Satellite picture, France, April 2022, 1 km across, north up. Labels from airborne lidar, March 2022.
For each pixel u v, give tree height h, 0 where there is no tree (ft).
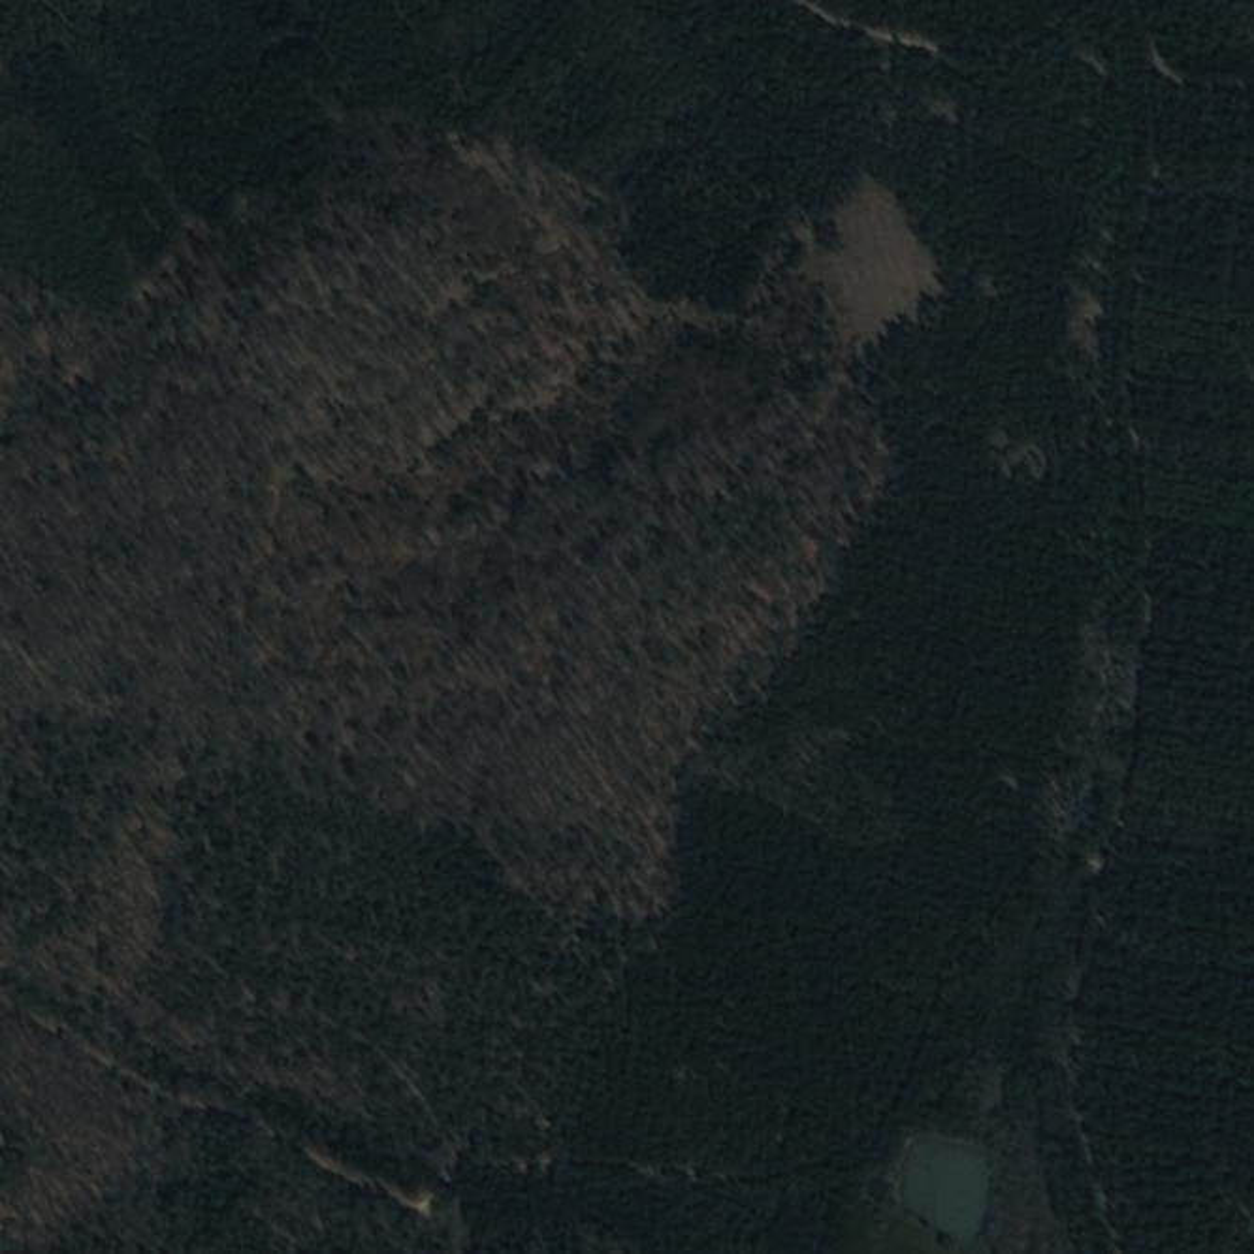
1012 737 66
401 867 75
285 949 39
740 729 62
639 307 94
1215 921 69
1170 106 52
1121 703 65
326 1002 53
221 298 66
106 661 68
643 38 47
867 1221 0
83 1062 91
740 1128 58
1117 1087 66
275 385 85
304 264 88
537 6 73
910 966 57
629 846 86
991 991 62
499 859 80
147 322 94
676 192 93
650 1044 64
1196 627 41
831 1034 106
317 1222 80
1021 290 61
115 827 63
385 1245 67
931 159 77
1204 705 56
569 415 32
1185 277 56
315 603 107
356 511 24
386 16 67
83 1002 83
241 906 49
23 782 44
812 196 73
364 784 108
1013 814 66
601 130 56
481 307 25
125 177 69
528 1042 53
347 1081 72
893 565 60
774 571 67
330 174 28
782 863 95
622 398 20
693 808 73
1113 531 99
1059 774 46
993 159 81
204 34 85
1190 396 43
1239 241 55
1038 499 60
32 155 39
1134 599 94
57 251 36
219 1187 75
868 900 82
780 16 62
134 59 81
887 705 70
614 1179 60
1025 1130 60
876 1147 94
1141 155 76
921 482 79
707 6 57
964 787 66
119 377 61
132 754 54
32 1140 77
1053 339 76
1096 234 97
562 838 79
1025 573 99
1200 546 49
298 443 0
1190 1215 63
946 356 67
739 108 72
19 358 75
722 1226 71
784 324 25
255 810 61
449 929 69
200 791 51
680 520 81
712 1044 56
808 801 93
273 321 81
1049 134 82
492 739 89
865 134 78
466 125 76
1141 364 66
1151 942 44
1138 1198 56
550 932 92
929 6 56
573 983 89
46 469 74
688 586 70
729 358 48
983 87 97
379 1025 62
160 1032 47
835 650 60
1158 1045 41
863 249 0
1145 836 43
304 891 58
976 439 45
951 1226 0
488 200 24
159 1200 82
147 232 81
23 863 60
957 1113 73
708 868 77
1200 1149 84
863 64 67
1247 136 61
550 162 87
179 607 81
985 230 51
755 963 90
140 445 73
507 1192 77
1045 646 72
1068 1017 55
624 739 84
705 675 81
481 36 51
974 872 61
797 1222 71
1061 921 60
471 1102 76
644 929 89
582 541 89
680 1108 60
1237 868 71
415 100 65
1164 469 44
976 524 77
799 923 84
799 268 25
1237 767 54
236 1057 83
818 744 91
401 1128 78
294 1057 19
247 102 55
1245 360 48
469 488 28
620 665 75
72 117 71
